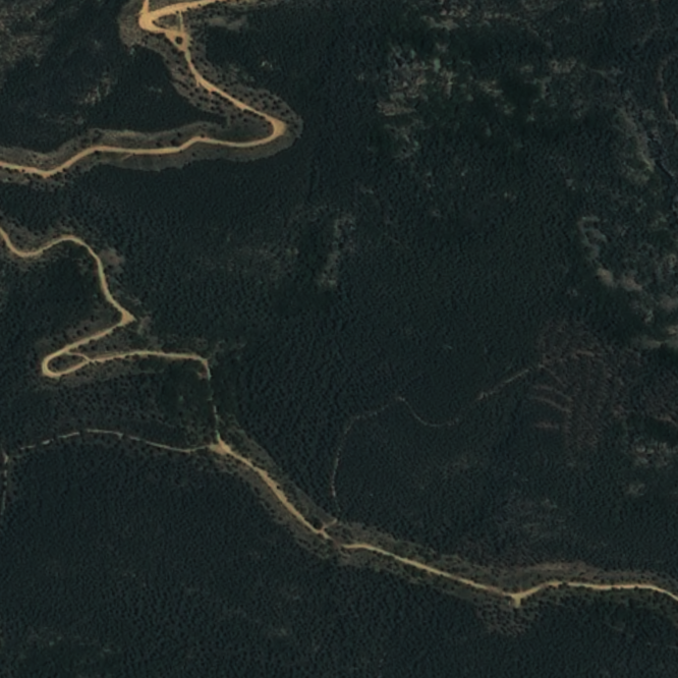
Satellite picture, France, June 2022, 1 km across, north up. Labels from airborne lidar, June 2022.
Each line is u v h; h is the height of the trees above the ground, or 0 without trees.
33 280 7
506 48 15
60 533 10
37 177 10
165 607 14
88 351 12
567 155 10
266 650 8
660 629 19
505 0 8
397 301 15
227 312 15
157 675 12
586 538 9
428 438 10
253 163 12
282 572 11
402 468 9
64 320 11
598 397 16
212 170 12
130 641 13
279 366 15
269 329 13
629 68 9
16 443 7
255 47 11
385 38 9
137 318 8
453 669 11
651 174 11
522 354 17
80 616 13
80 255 10
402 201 14
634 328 9
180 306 13
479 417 13
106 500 11
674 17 8
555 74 7
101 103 8
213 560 12
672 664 12
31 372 12
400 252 15
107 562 10
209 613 13
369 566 13
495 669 11
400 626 16
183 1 0
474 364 14
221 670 12
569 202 9
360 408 13
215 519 12
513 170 18
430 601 16
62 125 8
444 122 10
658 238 9
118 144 0
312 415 14
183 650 13
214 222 9
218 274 7
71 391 9
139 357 8
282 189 11
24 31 6
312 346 13
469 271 12
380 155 6
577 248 11
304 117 13
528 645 12
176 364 11
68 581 10
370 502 9
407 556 9
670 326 8
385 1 11
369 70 7
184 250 6
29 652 7
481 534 16
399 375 12
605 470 12
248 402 7
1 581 9
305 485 14
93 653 7
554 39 11
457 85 8
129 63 7
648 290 6
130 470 11
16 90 11
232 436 7
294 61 13
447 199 10
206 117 12
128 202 10
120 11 10
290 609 10
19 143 6
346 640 14
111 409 14
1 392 13
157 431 7
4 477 6
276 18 10
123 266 8
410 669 10
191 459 11
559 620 13
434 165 11
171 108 8
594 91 7
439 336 13
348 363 14
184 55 8
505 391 14
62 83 8
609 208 11
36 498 10
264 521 13
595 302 14
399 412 13
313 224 13
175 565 11
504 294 15
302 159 11
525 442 11
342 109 9
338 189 14
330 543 9
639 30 7
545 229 18
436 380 12
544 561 15
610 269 15
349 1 9
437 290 16
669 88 10
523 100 8
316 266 13
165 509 12
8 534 13
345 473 12
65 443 12
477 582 7
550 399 11
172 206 10
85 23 11
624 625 14
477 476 13
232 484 13
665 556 11
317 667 13
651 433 8
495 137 11
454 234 6
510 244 16
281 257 18
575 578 7
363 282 11
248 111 10
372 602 13
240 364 13
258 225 10
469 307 14
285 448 16
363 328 14
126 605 13
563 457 8
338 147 12
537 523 9
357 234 10
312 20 11
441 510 14
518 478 10
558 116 6
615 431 13
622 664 12
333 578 13
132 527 9
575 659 11
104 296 9
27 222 13
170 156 0
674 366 13
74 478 11
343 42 12
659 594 10
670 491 7
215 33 6
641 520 12
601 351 19
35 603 10
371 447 10
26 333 16
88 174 11
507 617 11
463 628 10
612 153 13
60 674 7
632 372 15
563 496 12
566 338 17
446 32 10
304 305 7
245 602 13
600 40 10
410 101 9
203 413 11
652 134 19
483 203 8
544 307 15
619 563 11
